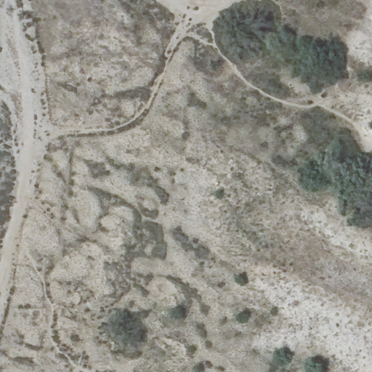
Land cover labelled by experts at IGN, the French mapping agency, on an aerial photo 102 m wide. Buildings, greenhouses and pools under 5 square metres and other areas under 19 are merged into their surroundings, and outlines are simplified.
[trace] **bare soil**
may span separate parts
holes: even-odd
[[[340,214],[337,199],[328,199],[323,208],[308,205],[302,209],[301,217],[307,219],[310,228],[315,228],[317,237],[325,238],[328,235],[331,244],[344,246],[349,253],[355,253],[356,256],[372,256],[372,230],[347,225],[346,217]]]
[[[301,83],[299,78],[292,77],[283,77],[280,81],[294,89],[298,97],[288,97],[283,100],[282,105],[304,110],[320,106],[327,112],[339,116],[359,132],[363,150],[372,151],[372,0],[357,0],[366,6],[366,15],[363,17],[365,23],[357,31],[350,32],[349,38],[344,42],[349,48],[347,78],[337,81],[334,86],[323,87],[315,94],[307,84]]]
[[[185,325],[182,334],[198,347],[195,356],[189,357],[186,353],[180,357],[176,353],[176,356],[166,360],[166,368],[170,371],[179,371],[182,366],[187,366],[186,372],[269,372],[273,353],[280,347],[289,347],[292,352],[305,353],[308,357],[336,355],[337,359],[343,360],[344,366],[352,369],[352,372],[372,372],[372,312],[366,310],[359,302],[347,301],[344,304],[339,296],[325,291],[323,286],[308,286],[308,283],[302,282],[301,279],[279,282],[275,286],[267,285],[263,280],[256,280],[256,288],[266,292],[269,301],[279,308],[278,314],[273,317],[272,324],[263,325],[262,336],[256,336],[254,339],[224,340],[219,333],[219,320],[209,314],[202,314],[198,301],[193,299],[192,308],[187,314],[196,323],[205,324],[208,336],[202,339],[195,327]]]
[[[48,112],[48,109],[41,108],[41,92],[44,90],[45,77],[41,54],[32,54],[28,39],[23,36],[22,26],[31,22],[31,19],[19,19],[20,13],[31,10],[29,0],[0,0],[0,105],[6,103],[10,109],[12,137],[9,139],[9,145],[12,147],[17,170],[13,189],[15,203],[10,209],[10,221],[7,222],[0,254],[0,323],[10,291],[7,283],[12,275],[12,251],[15,250],[13,241],[20,219],[25,214],[26,196],[35,193],[36,174],[31,170],[38,167],[38,161],[44,158],[46,145],[52,139],[70,134],[67,128],[52,126],[48,122],[48,116],[42,116],[42,112]]]
[[[190,31],[189,28],[201,22],[205,23],[206,29],[214,28],[214,20],[221,10],[243,0],[157,0],[174,13],[174,19],[179,23],[170,38],[171,49],[185,36],[192,36],[201,44],[208,45],[208,39]]]

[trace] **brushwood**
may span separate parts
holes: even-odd
[[[307,84],[315,94],[323,87],[334,86],[337,81],[347,78],[349,48],[344,42],[339,36],[320,39],[310,35],[298,35],[296,29],[280,20],[279,7],[272,0],[243,0],[221,10],[214,20],[214,28],[215,41],[222,54],[227,55],[232,64],[237,65],[240,61],[247,62],[256,57],[262,60],[262,52],[267,49],[276,60],[285,60],[286,65],[291,65],[292,77],[299,78],[301,83]]]
[[[330,186],[339,193],[337,199],[340,214],[346,217],[347,225],[372,230],[372,151],[363,150],[359,132],[339,116],[327,112],[320,106],[304,110],[301,113],[301,126],[307,134],[307,139],[299,145],[292,157],[275,155],[272,158],[273,163],[298,173],[299,185],[305,190],[318,192]]]

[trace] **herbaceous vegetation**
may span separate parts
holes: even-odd
[[[254,339],[256,336],[262,336],[263,325],[272,324],[273,317],[278,314],[279,308],[269,301],[266,292],[256,288],[256,280],[263,280],[267,285],[275,286],[279,282],[301,279],[302,282],[308,283],[308,286],[323,286],[325,291],[339,296],[344,304],[347,301],[359,302],[366,310],[372,312],[372,256],[356,256],[355,253],[349,253],[344,246],[331,244],[328,235],[325,238],[317,237],[315,228],[310,228],[307,219],[301,217],[302,209],[308,205],[323,208],[328,199],[337,199],[339,193],[330,186],[318,192],[305,190],[299,185],[298,173],[273,163],[272,158],[275,155],[292,157],[299,145],[307,139],[307,134],[301,126],[301,113],[304,110],[282,105],[283,100],[288,97],[298,97],[294,89],[280,81],[283,77],[292,77],[291,65],[286,65],[285,60],[276,60],[267,49],[262,52],[262,60],[256,57],[247,62],[240,61],[237,65],[232,64],[227,55],[222,54],[215,41],[214,28],[206,29],[205,23],[201,22],[189,28],[190,31],[208,39],[208,45],[201,44],[192,36],[185,36],[171,49],[170,38],[179,23],[174,19],[174,13],[157,0],[29,0],[31,10],[20,13],[19,19],[31,19],[31,22],[22,26],[23,36],[28,39],[32,54],[41,54],[45,77],[44,90],[41,92],[41,108],[48,109],[48,112],[42,112],[42,116],[48,116],[48,122],[52,126],[67,128],[70,134],[52,139],[46,145],[44,158],[38,161],[38,167],[31,170],[36,174],[35,193],[26,196],[25,214],[20,219],[13,241],[15,250],[12,251],[12,275],[7,283],[10,291],[0,323],[0,372],[186,372],[187,366],[182,366],[179,371],[170,371],[166,368],[166,360],[176,356],[176,353],[180,357],[186,353],[189,357],[195,356],[198,347],[182,334],[185,325],[195,327],[202,339],[208,336],[205,324],[196,323],[187,314],[192,308],[193,299],[198,301],[202,314],[209,314],[219,320],[219,333],[224,340]]]
[[[0,254],[7,222],[10,221],[10,209],[15,203],[13,189],[17,170],[12,147],[9,145],[9,139],[12,137],[10,109],[6,103],[0,105]]]
[[[269,372],[352,372],[352,369],[344,366],[343,360],[337,359],[336,355],[308,357],[305,353],[292,352],[289,347],[280,347],[273,353]]]
[[[366,15],[366,6],[357,0],[272,0],[279,7],[280,20],[296,29],[298,35],[310,35],[320,39],[339,36],[344,42],[349,38],[350,32],[357,31],[365,23],[363,17]]]

